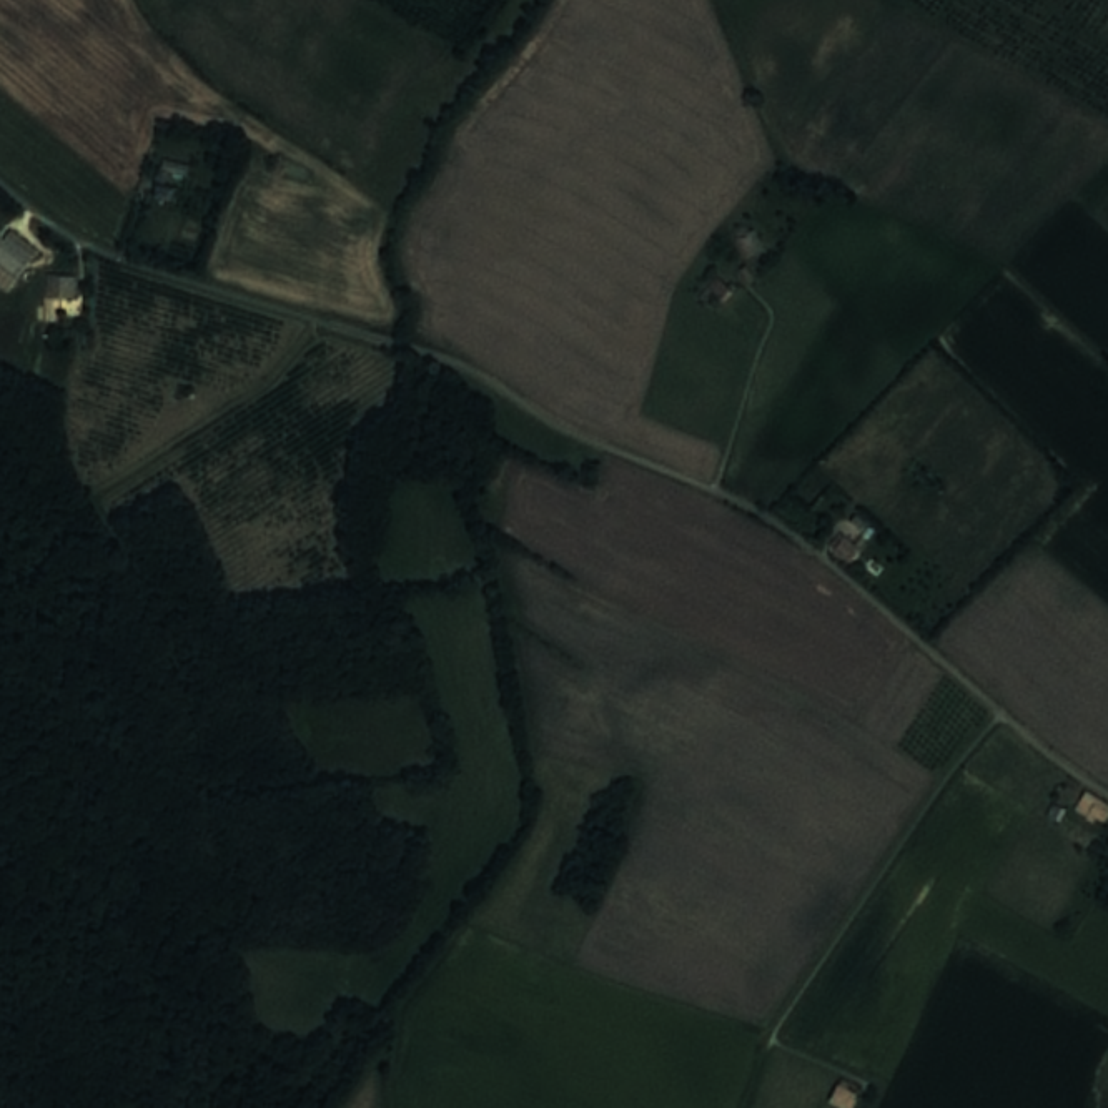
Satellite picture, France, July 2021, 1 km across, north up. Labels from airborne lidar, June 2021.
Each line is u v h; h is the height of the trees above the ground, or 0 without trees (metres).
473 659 0
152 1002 26
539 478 0
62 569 18
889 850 0
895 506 0
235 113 0
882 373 0
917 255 0
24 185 0
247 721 17
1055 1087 0
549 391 0
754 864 0
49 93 0
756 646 0
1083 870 0
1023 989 0
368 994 0
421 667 19
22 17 0
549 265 0
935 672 0
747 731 0
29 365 0
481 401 18
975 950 0
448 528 0
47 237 14
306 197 0
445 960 0
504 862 14
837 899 0
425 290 0
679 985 0
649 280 0
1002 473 0
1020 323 0
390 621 26
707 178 0
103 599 16
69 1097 20
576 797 0
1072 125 0
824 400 0
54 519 18
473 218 0
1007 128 0
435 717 18
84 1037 19
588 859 11
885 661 0
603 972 0
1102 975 0
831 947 0
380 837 27
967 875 0
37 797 23
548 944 0
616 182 0
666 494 0
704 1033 0
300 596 17
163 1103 23
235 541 0
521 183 0
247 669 20
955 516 0
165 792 22
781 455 0
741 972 0
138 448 0
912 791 0
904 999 0
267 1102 22
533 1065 0
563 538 0
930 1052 0
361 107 0
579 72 0
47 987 18
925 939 0
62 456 13
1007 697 0
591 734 0
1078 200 0
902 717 0
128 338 0
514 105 0
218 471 0
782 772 0
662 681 0
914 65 0
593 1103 0
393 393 12
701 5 0
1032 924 0
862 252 0
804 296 0
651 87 0
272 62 0
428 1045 0
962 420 0
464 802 0
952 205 0
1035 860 0
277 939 17
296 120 0
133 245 18
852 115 0
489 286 0
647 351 0
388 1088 0
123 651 23
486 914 0
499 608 19
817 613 0
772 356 0
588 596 0
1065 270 0
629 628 0
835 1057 0
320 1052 22
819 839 0
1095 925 0
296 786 28
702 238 0
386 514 20
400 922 30
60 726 25
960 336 0
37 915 25
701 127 0
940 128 0
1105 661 0
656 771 0
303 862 28
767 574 0
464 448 21
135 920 27
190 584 18
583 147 0
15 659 27
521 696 15
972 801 0
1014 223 0
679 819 0
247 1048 24
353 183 0
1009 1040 0
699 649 0
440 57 0
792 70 0
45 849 26
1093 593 0
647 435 0
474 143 0
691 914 0
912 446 0
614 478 0
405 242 0
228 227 0
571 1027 0
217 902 26
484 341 0
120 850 26
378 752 0
